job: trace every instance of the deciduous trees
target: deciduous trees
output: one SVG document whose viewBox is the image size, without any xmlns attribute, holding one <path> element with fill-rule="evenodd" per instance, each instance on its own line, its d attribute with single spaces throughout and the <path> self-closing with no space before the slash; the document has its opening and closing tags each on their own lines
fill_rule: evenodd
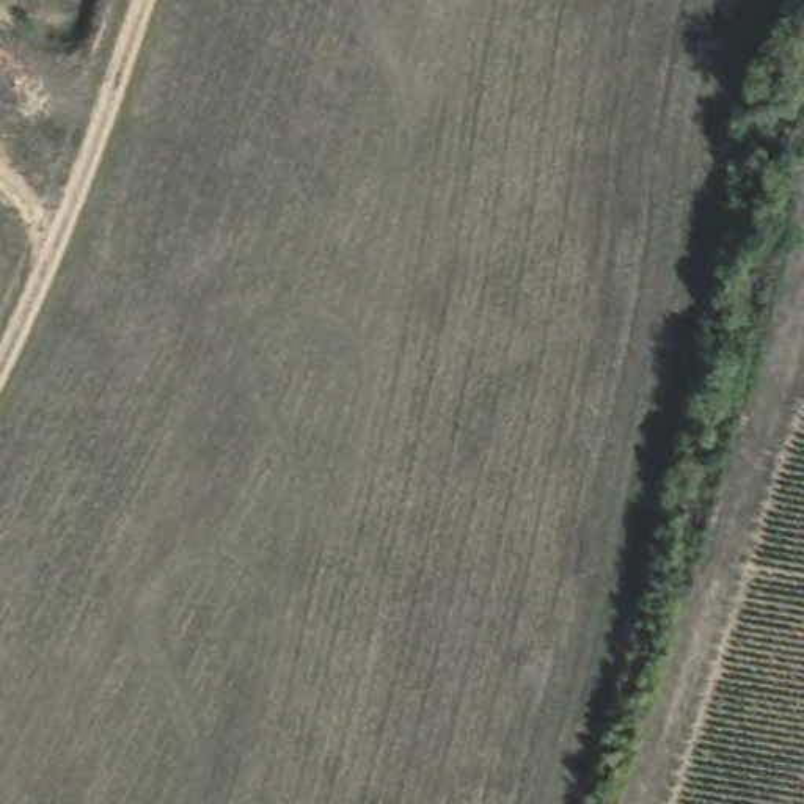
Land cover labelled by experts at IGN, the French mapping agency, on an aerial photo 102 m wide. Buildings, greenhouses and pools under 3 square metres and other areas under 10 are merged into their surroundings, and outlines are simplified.
<svg viewBox="0 0 804 804">
<path fill-rule="evenodd" d="M 628 782 L 634 776 L 631 757 L 641 754 L 647 744 L 650 707 L 660 700 L 660 694 L 653 691 L 656 675 L 647 669 L 638 678 L 638 697 L 628 700 L 631 713 L 625 713 L 603 735 L 603 741 L 616 751 L 603 757 L 612 776 L 606 785 L 590 791 L 584 804 L 625 804 L 622 795 L 628 791 Z"/>
<path fill-rule="evenodd" d="M 682 462 L 669 468 L 663 490 L 663 509 L 672 521 L 656 528 L 656 537 L 666 537 L 672 550 L 666 559 L 650 562 L 650 590 L 641 600 L 647 619 L 638 619 L 628 631 L 625 663 L 644 660 L 647 666 L 666 656 L 663 647 L 656 647 L 656 638 L 669 631 L 669 625 L 663 622 L 663 609 L 675 600 L 685 600 L 694 587 L 694 565 L 704 556 L 704 534 L 716 503 L 716 487 L 729 465 L 732 430 L 741 418 L 738 405 L 757 386 L 763 355 L 773 345 L 773 308 L 785 295 L 788 251 L 801 245 L 801 226 L 795 226 L 798 198 L 791 198 L 798 173 L 791 163 L 804 160 L 804 0 L 785 0 L 785 16 L 773 28 L 769 47 L 747 69 L 747 110 L 744 116 L 735 116 L 729 122 L 732 135 L 738 138 L 757 126 L 763 135 L 782 138 L 785 157 L 773 160 L 760 148 L 747 157 L 747 166 L 763 176 L 769 204 L 760 204 L 754 210 L 754 226 L 760 232 L 747 242 L 747 251 L 738 258 L 738 264 L 716 270 L 722 292 L 713 298 L 713 305 L 722 308 L 729 336 L 713 374 L 707 377 L 704 393 L 691 399 L 691 418 L 704 424 L 704 437 L 678 437 Z"/>
</svg>

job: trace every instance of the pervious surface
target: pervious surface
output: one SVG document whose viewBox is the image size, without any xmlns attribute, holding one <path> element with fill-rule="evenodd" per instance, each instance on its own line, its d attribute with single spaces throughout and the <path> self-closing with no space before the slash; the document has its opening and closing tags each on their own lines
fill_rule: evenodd
<svg viewBox="0 0 804 804">
<path fill-rule="evenodd" d="M 31 336 L 31 327 L 60 270 L 60 261 L 72 242 L 79 214 L 97 176 L 110 132 L 116 126 L 157 0 L 129 0 L 63 198 L 38 198 L 28 188 L 28 182 L 9 166 L 6 151 L 0 148 L 0 201 L 19 210 L 31 242 L 31 273 L 0 339 L 0 393 Z"/>
</svg>

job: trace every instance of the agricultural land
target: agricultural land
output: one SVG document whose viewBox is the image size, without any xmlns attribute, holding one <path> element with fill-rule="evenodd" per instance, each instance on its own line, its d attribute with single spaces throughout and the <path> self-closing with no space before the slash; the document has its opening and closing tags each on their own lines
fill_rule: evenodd
<svg viewBox="0 0 804 804">
<path fill-rule="evenodd" d="M 760 148 L 773 160 L 785 157 L 782 138 L 763 135 L 757 126 L 738 138 L 732 135 L 729 122 L 735 116 L 744 116 L 747 110 L 747 69 L 769 47 L 773 28 L 785 16 L 785 0 L 157 0 L 116 126 L 110 132 L 97 176 L 79 214 L 72 242 L 60 261 L 60 270 L 31 327 L 31 336 L 0 393 L 0 804 L 584 804 L 590 791 L 606 785 L 612 776 L 603 757 L 616 751 L 603 741 L 603 735 L 625 713 L 631 713 L 628 700 L 638 697 L 638 678 L 647 669 L 647 666 L 644 660 L 625 663 L 628 631 L 638 619 L 647 619 L 641 600 L 650 590 L 650 562 L 666 559 L 672 550 L 666 537 L 656 537 L 656 528 L 672 521 L 663 509 L 663 490 L 669 468 L 682 462 L 678 437 L 704 437 L 704 424 L 691 418 L 691 399 L 704 393 L 707 377 L 713 374 L 729 336 L 722 308 L 713 305 L 713 298 L 722 292 L 716 270 L 738 264 L 738 258 L 747 251 L 747 242 L 760 232 L 754 226 L 754 210 L 760 204 L 769 204 L 763 176 L 747 166 L 747 157 Z"/>
</svg>

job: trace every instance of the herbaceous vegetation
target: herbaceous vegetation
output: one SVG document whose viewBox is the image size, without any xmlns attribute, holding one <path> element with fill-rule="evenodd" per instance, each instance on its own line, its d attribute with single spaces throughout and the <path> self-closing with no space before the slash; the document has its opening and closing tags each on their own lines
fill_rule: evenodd
<svg viewBox="0 0 804 804">
<path fill-rule="evenodd" d="M 19 210 L 0 201 L 0 339 L 31 273 L 31 242 Z"/>
<path fill-rule="evenodd" d="M 6 151 L 9 166 L 28 182 L 28 188 L 38 198 L 63 198 L 129 0 L 0 0 L 0 148 Z"/>
<path fill-rule="evenodd" d="M 704 534 L 704 556 L 694 565 L 694 587 L 700 590 L 700 609 L 691 628 L 691 644 L 678 666 L 672 691 L 660 694 L 660 700 L 650 707 L 647 744 L 641 754 L 631 757 L 634 776 L 628 782 L 628 791 L 622 795 L 625 804 L 682 804 L 694 766 L 694 747 L 704 738 L 710 700 L 725 669 L 725 653 L 738 628 L 738 616 L 747 603 L 747 587 L 757 578 L 766 521 L 776 509 L 779 484 L 795 452 L 798 433 L 804 430 L 804 160 L 791 163 L 798 173 L 791 198 L 798 198 L 795 226 L 801 226 L 801 245 L 788 251 L 785 295 L 773 308 L 773 345 L 763 355 L 757 386 L 738 405 L 741 418 L 732 430 L 729 465 L 716 487 L 716 503 Z"/>
</svg>

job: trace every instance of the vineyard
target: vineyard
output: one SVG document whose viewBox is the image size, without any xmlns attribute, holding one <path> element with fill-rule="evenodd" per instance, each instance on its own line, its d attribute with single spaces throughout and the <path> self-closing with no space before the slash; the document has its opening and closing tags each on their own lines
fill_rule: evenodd
<svg viewBox="0 0 804 804">
<path fill-rule="evenodd" d="M 747 587 L 747 603 L 738 616 L 738 628 L 725 653 L 725 669 L 710 700 L 704 738 L 694 747 L 694 766 L 682 804 L 804 804 L 804 430 L 798 433 L 795 452 L 779 484 L 776 509 L 766 521 L 757 578 Z"/>
</svg>

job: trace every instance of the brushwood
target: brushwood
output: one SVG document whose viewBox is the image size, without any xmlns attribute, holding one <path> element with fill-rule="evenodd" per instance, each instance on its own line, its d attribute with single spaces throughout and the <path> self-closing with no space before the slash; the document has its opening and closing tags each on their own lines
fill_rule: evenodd
<svg viewBox="0 0 804 804">
<path fill-rule="evenodd" d="M 691 644 L 691 628 L 700 609 L 700 590 L 694 587 L 685 600 L 675 600 L 663 609 L 663 622 L 669 625 L 669 631 L 656 638 L 656 647 L 663 647 L 666 656 L 647 666 L 647 669 L 656 675 L 653 691 L 660 694 L 672 691 L 678 666 Z"/>
</svg>

